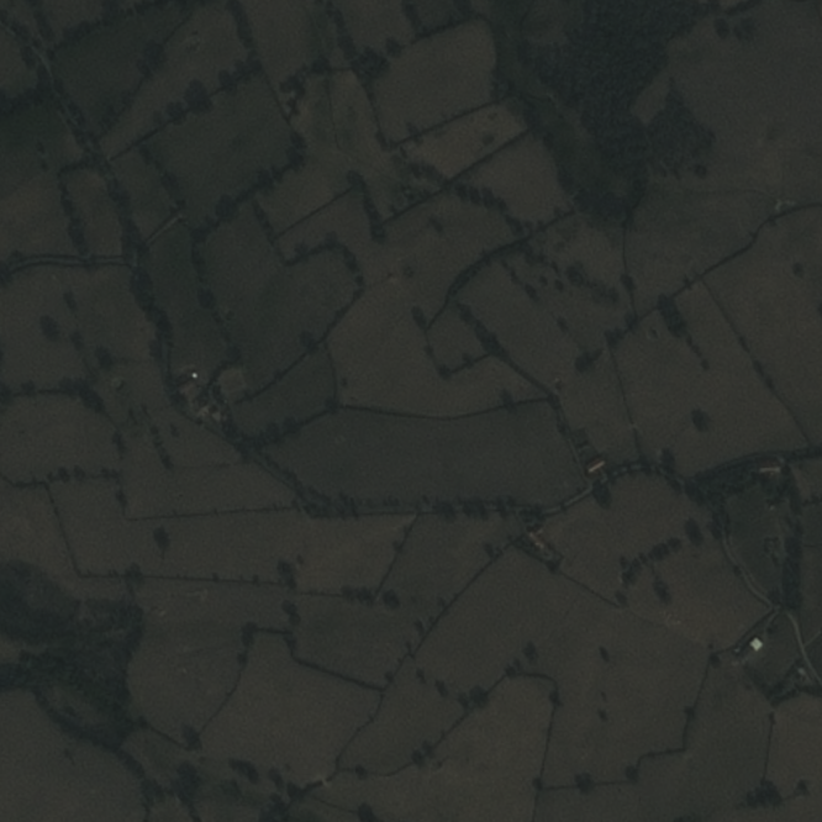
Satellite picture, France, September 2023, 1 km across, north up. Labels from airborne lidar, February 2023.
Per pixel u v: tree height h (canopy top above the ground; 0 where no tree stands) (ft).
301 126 0
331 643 0
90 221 0
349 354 0
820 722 0
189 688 0
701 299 0
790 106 0
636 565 31
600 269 0
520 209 0
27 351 0
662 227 0
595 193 0
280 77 0
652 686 0
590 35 58
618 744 0
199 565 0
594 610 0
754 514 0
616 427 0
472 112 0
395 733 0
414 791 0
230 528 0
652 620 0
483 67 0
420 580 0
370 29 0
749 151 0
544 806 0
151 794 46
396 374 0
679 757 0
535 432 0
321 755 0
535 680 0
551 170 0
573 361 0
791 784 0
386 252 0
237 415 0
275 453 0
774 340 0
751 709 0
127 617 47
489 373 0
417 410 0
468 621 0
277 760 0
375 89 0
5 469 0
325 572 0
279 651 0
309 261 26
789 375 0
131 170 0
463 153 0
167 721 0
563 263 0
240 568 0
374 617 0
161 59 43
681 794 0
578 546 0
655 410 0
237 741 0
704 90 0
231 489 0
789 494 35
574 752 0
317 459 0
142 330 0
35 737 0
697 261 0
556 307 0
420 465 0
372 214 53
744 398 0
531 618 0
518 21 0
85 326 0
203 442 0
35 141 0
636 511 0
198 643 0
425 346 0
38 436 0
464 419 0
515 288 0
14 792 0
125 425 0
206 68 0
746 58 0
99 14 0
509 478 0
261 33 0
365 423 0
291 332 0
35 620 0
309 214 0
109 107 0
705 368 26
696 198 0
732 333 0
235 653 0
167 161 0
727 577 0
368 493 0
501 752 0
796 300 0
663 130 19
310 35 0
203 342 0
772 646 0
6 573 0
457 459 0
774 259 0
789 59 0
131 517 0
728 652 0
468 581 0
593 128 54
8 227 0
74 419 0
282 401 0
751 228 0
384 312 0
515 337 0
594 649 0
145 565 0
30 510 0
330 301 0
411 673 0
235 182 0
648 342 0
